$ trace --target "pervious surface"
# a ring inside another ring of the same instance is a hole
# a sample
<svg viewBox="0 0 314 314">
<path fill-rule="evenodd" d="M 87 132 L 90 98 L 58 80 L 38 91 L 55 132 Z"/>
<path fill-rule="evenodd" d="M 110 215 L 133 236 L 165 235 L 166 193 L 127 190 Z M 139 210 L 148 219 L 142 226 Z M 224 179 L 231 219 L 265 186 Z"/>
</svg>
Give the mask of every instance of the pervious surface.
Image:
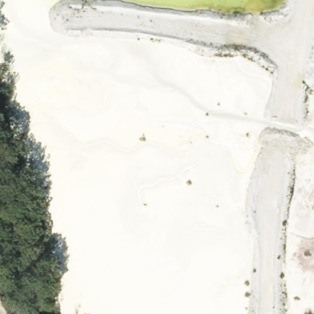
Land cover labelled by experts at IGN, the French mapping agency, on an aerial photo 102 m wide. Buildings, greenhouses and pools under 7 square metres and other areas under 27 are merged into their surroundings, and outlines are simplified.
<svg viewBox="0 0 314 314">
<path fill-rule="evenodd" d="M 28 135 L 25 139 L 28 153 L 25 167 L 22 168 L 25 178 L 45 184 L 42 193 L 38 195 L 40 205 L 43 206 L 38 213 L 50 223 L 53 233 L 58 235 L 58 243 L 53 250 L 55 259 L 50 260 L 52 271 L 61 278 L 61 291 L 56 299 L 60 305 L 58 314 L 314 314 L 314 0 L 286 0 L 285 6 L 272 15 L 237 16 L 231 20 L 184 13 L 146 11 L 123 6 L 65 5 L 61 0 L 0 0 L 0 75 L 2 76 L 2 82 L 7 83 L 7 85 L 10 85 L 13 88 L 11 101 L 6 105 L 0 105 L 0 109 L 1 114 L 9 113 L 13 137 L 20 136 L 21 132 Z"/>
</svg>

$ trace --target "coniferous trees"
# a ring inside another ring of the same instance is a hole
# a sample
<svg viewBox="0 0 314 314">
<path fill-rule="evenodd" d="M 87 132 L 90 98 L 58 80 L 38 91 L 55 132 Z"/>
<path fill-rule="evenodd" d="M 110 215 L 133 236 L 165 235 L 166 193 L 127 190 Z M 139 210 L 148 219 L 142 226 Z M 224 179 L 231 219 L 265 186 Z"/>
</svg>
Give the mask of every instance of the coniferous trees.
<svg viewBox="0 0 314 314">
<path fill-rule="evenodd" d="M 20 136 L 13 137 L 9 113 L 1 114 L 0 109 L 0 301 L 10 298 L 17 307 L 20 304 L 27 304 L 27 307 L 34 309 L 37 314 L 58 314 L 60 305 L 56 299 L 61 291 L 61 278 L 52 271 L 50 260 L 55 259 L 53 250 L 58 243 L 58 235 L 53 233 L 50 223 L 38 213 L 43 206 L 40 205 L 38 195 L 42 193 L 45 184 L 25 178 L 22 168 L 25 167 L 28 153 L 25 139 L 28 135 L 21 132 Z"/>
<path fill-rule="evenodd" d="M 7 85 L 7 83 L 2 82 L 2 76 L 0 75 L 0 105 L 6 105 L 11 101 L 13 88 L 10 85 Z"/>
</svg>

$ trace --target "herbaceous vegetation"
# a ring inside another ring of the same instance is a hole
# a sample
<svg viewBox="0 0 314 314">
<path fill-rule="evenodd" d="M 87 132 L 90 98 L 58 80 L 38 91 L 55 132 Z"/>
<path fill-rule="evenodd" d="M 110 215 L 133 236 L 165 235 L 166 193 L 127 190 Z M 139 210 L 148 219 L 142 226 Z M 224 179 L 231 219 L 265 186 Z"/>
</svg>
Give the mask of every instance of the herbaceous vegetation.
<svg viewBox="0 0 314 314">
<path fill-rule="evenodd" d="M 34 309 L 27 307 L 27 304 L 20 304 L 17 307 L 10 298 L 0 301 L 0 314 L 37 314 Z"/>
</svg>

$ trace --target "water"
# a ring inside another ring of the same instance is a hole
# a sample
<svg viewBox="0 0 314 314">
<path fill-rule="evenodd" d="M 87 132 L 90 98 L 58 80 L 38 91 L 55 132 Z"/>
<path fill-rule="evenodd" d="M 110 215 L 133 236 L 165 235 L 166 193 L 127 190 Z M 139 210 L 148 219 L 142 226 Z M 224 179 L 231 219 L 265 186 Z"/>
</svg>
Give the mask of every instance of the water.
<svg viewBox="0 0 314 314">
<path fill-rule="evenodd" d="M 61 0 L 65 5 L 123 6 L 146 11 L 184 13 L 231 20 L 237 16 L 272 15 L 285 6 L 286 0 Z"/>
</svg>

